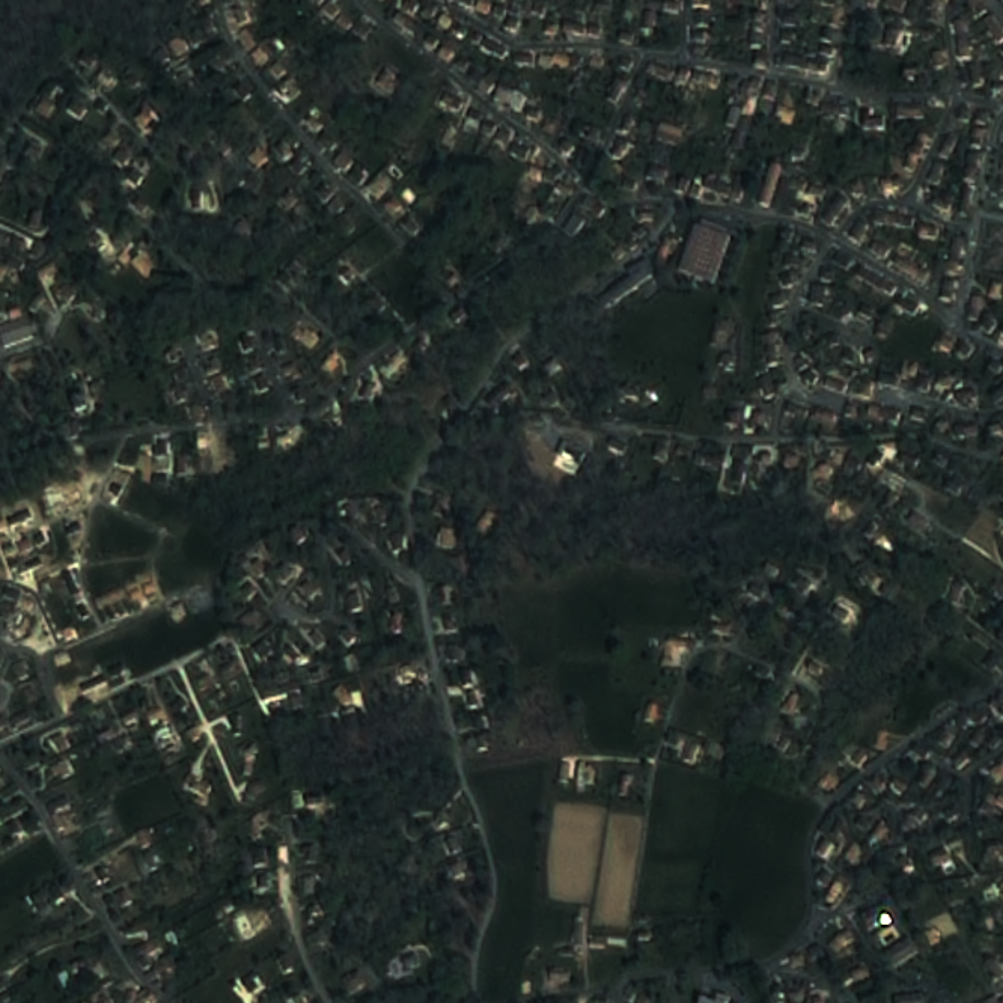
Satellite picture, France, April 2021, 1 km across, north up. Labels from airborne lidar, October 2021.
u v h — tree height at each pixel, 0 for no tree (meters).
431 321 21
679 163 7
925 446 9
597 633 0
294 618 0
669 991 0
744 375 6
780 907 0
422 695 23
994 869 10
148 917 7
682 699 0
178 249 16
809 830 0
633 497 14
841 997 18
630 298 9
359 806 18
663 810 0
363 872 23
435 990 18
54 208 16
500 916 0
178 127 15
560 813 0
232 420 18
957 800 7
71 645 0
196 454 6
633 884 0
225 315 17
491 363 19
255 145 11
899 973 6
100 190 17
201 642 0
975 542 0
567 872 0
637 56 0
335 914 23
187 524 8
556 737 18
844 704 21
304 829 19
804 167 12
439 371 18
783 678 18
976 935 5
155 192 0
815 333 10
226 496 21
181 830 13
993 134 0
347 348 16
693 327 0
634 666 0
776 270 12
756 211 0
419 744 14
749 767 20
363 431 25
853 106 7
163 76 15
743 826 0
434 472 13
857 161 11
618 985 0
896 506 7
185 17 6
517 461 13
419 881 6
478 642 15
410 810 14
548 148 0
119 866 0
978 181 0
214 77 14
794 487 14
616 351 0
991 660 0
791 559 11
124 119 0
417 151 0
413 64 0
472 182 26
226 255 17
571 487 12
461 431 17
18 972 0
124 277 0
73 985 10
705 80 0
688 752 0
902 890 17
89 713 16
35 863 0
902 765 9
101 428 9
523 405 12
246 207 22
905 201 0
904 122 8
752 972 17
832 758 20
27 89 9
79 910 8
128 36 12
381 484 21
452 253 13
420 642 11
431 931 11
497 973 0
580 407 15
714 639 0
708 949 6
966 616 8
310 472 18
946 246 7
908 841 11
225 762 0
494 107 0
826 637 24
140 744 7
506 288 21
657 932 6
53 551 0
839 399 0
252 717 0
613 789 6
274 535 8
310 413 12
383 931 11
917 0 9
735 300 13
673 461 5
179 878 13
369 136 13
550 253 21
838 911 0
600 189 16
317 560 16
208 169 17
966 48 0
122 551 0
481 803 0
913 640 19
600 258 20
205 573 0
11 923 0
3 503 25
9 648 0
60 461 27
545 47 0
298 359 9
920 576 22
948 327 0
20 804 12
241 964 0
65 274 10
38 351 10
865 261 0
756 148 9
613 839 0
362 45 20
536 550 21
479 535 17
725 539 15
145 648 0
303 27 8
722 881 0
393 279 0
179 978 6
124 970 19
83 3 13
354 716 11
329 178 0
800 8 7
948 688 14
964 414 0
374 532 13
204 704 0
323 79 18
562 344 19
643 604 0
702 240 0
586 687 0
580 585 0
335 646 10
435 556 22
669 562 14
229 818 12
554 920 0
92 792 9
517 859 0
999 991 0
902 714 9
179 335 16
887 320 14
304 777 13
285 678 12
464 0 0
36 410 16
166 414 13
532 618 0
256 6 5
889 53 9
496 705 20
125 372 14
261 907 0
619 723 0
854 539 8
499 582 19
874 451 17
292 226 14
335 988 0
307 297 15
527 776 0
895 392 0
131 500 0
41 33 11
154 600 0
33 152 0
